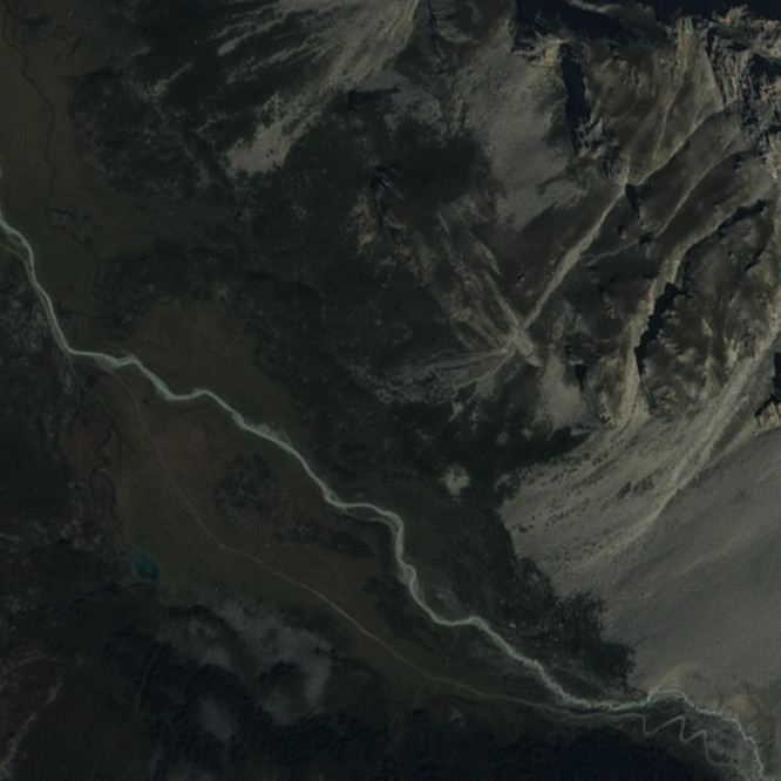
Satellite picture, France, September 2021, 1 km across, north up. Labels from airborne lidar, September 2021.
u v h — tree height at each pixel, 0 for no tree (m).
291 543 0
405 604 0
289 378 0
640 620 0
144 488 0
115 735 0
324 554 0
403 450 0
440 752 0
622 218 0
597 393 0
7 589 0
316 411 0
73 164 0
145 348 0
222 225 0
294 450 0
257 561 0
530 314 0
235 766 0
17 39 0
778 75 0
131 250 0
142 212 0
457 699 0
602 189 0
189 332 0
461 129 0
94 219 0
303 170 0
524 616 0
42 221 0
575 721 0
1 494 0
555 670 0
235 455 0
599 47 0
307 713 0
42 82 0
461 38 0
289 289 0
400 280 0
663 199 0
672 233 0
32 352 0
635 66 0
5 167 0
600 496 0
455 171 0
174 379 0
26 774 0
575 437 0
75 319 0
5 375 0
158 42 0
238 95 0
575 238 0
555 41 0
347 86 0
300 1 0
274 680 0
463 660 0
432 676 0
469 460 0
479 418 0
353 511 0
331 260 0
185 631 0
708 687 0
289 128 0
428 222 0
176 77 0
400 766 0
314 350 0
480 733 0
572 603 0
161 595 0
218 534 0
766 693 0
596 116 0
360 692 0
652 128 0
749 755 0
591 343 0
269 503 0
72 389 0
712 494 0
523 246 0
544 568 0
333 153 0
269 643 0
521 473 0
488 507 0
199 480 0
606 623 0
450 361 0
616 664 0
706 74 0
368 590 0
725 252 0
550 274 0
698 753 0
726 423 0
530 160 0
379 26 0
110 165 0
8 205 0
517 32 0
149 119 0
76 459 0
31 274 0
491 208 0
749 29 0
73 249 0
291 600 0
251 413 0
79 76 0
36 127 0
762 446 0
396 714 0
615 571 0
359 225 0
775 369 0
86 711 0
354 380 0
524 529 0
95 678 0
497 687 0
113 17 0
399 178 0
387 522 0
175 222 0
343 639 0
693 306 0
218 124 0
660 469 0
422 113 0
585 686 0
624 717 0
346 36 0
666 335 0
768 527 0
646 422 0
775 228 0
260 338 0
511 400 0
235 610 0
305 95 0
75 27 0
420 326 0
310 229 0
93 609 0
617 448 0
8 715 0
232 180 0
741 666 0
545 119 0
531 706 0
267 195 0
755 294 0
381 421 0
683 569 0
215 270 0
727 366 0
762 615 0
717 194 0
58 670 0
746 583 0
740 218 0
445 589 0
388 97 0
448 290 0
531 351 0
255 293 0
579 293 0
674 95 0
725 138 0
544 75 0
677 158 0
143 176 0
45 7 0
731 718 0
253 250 0
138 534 0
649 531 0
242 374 0
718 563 0
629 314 0
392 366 0
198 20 0
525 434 0
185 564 0
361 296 0
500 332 0
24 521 0
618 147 0
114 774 0
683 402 0
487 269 0
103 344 0
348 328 0
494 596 0
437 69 0
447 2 0
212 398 0
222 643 0
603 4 0
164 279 0
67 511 0
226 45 0
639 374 0
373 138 0
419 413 0
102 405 0
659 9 0
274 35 0
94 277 0
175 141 0
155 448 0
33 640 0
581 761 6
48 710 0
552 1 0
